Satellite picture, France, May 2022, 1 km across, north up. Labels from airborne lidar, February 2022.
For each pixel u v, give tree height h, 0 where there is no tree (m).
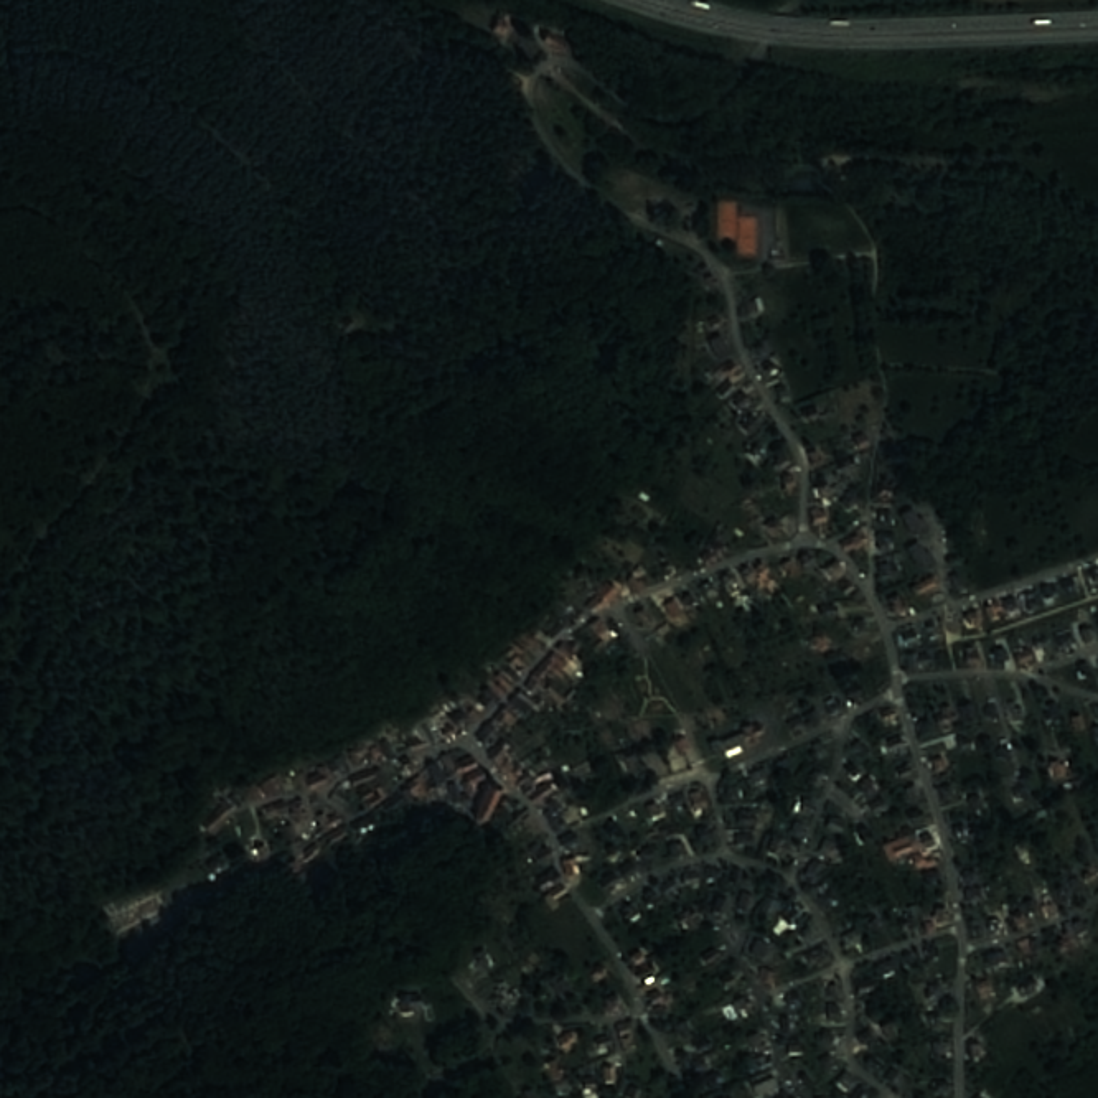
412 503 30
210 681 25
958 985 0
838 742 0
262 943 21
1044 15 0
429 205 25
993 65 9
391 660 27
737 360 0
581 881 0
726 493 0
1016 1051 0
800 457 0
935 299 17
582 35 26
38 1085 30
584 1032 7
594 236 25
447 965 21
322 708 26
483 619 22
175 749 32
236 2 26
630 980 0
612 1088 10
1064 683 0
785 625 6
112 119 25
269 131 25
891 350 0
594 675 13
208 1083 15
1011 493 11
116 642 23
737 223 0
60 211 8
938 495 14
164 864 30
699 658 0
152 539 9
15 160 16
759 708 0
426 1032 0
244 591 26
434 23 20
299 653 26
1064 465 14
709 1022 0
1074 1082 7
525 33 31
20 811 10
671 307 27
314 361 29
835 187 29
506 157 28
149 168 22
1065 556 0
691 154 30
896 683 0
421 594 29
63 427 9
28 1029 34
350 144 29
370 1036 0
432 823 21
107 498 8
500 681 0
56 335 22
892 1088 8
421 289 28
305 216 26
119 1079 24
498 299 22
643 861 0
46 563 16
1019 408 25
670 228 16
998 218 27
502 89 21
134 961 36
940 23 0
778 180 26
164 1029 19
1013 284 23
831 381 7
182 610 28
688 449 6
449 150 28
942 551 0
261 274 27
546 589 23
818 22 0
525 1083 0
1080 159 0
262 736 28
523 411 30
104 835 19
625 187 0
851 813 0
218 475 25
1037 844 12
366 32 29
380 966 24
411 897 26
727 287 0
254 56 24
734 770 8
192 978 26
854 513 0
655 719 0
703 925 6
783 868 6
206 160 27
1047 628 0
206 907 35
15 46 21
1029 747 18
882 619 0
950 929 0
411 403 30
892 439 8
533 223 29
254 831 0
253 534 31
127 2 16
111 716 15
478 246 26
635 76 27
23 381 26
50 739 32
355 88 30
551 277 23
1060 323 12
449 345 20
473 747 0
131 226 11
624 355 25
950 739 0
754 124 21
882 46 0
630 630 0
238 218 26
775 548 0
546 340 36
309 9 24
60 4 16
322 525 32
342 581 30
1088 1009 7
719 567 0
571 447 34
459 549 29
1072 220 25
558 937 0
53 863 34
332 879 25
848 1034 0
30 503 7
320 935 25
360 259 23
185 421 15
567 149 0
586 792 11
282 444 27
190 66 19
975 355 0
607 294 31
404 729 0
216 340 13
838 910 0
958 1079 0
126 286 11
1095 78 13
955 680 0
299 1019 22
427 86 33
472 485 31
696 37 0
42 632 30
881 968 0
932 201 28
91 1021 11
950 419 0
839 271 12
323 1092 23
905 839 0
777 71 16
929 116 18
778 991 0
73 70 25
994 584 0
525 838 0
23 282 10
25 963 38
